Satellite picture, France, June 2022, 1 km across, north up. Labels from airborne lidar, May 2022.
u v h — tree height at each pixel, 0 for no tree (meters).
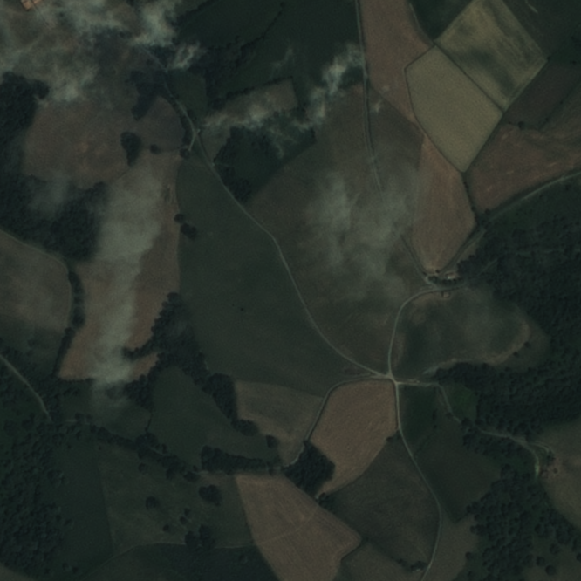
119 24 0
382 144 0
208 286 0
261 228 0
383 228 0
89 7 0
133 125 0
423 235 0
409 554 0
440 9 0
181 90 0
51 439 12
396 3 0
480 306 0
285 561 0
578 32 0
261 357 0
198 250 0
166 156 0
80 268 0
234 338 0
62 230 26
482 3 0
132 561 0
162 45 19
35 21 0
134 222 0
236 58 16
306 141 0
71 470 0
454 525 0
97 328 0
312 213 0
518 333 0
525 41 0
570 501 0
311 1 0
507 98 0
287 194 0
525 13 0
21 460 16
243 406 0
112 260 0
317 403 0
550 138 0
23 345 0
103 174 0
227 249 0
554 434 0
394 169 0
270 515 0
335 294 0
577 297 22
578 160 0
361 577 0
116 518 0
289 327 0
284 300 0
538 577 0
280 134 0
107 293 0
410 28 0
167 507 0
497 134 0
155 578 0
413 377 0
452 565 0
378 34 0
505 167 0
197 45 14
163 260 0
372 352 0
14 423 13
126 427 0
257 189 0
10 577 0
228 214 0
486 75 0
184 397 0
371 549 0
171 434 0
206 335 0
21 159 11
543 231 13
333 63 0
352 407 0
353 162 0
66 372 0
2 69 0
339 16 0
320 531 0
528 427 14
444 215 0
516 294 23
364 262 0
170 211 0
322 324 0
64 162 0
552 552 10
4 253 0
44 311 0
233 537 0
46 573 6
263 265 0
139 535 0
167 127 0
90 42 0
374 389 0
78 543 0
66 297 0
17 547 19
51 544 17
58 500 0
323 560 0
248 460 15
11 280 0
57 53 0
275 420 0
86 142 0
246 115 0
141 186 0
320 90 0
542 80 0
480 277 18
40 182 25
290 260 0
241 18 0
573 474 0
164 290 0
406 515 0
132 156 9
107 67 0
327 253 0
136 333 0
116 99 0
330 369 0
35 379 13
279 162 0
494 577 11
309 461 12
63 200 24
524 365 0
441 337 0
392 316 0
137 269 0
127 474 0
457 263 0
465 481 0
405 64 0
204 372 17
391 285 0
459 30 0
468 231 0
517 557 12
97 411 0
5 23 0
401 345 0
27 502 25
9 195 17
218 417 0
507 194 0
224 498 15
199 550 8
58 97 0
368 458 0
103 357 0
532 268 25
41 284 0
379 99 0
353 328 0
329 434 0
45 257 0
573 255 16
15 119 18
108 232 0
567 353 16
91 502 0
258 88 7
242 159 0
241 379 0
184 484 0
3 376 13
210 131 0
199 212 0
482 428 13
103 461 0
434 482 0
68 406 0
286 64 0
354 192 0
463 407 0
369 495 0
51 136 0
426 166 0
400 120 0
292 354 0
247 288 0
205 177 0
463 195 0
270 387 0
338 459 0
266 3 0
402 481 0
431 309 0
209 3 12
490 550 12
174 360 19
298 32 0
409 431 0
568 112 0
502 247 11
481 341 0
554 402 15
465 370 23
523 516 12
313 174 0
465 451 0
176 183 0
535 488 16
